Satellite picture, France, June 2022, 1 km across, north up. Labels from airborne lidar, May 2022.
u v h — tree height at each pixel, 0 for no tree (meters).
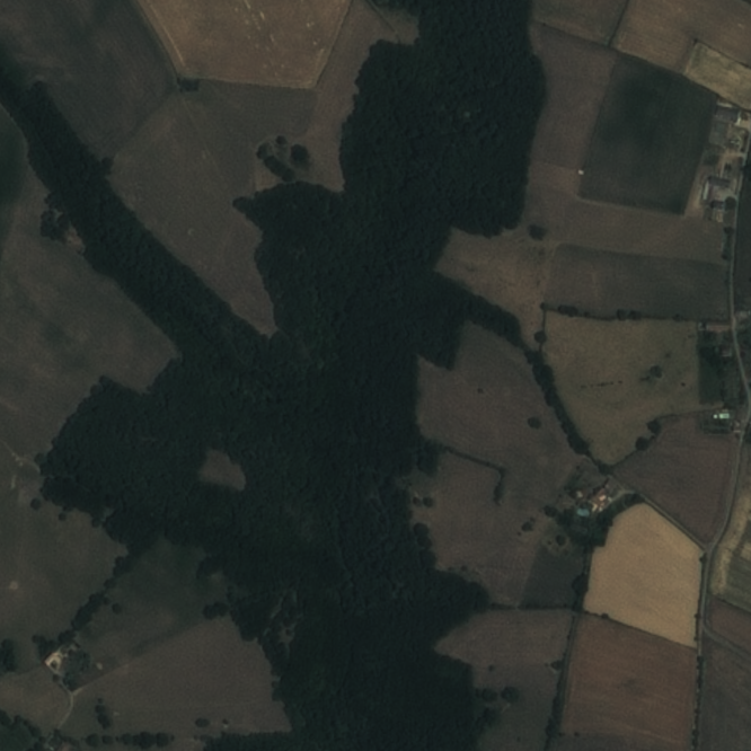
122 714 0
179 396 16
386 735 18
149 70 0
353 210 11
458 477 0
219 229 0
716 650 0
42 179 8
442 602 23
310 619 12
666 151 0
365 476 21
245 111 0
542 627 0
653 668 0
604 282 0
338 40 0
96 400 16
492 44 13
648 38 0
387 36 0
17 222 0
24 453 0
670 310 0
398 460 21
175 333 9
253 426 15
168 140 0
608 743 0
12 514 0
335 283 23
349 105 0
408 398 15
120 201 10
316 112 0
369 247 18
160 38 0
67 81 0
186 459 11
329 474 23
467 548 0
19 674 0
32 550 0
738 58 0
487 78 16
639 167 0
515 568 0
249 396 22
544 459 0
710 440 0
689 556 0
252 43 0
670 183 0
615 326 0
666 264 0
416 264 18
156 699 0
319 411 24
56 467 20
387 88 22
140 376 0
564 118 0
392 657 14
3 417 0
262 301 0
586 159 0
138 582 0
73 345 0
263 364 13
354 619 16
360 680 11
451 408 0
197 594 0
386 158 26
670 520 0
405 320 15
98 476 22
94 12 0
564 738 7
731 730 0
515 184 14
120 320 0
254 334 16
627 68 0
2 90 14
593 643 0
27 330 0
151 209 0
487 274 0
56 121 12
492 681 0
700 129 0
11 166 0
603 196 0
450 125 22
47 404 0
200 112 0
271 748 11
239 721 0
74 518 0
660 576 0
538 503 0
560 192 0
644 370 0
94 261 14
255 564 11
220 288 0
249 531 13
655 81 0
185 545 12
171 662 0
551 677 0
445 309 19
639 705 0
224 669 0
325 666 11
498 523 0
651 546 0
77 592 0
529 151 10
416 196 23
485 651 0
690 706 0
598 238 0
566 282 0
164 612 0
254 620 12
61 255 0
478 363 0
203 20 0
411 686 12
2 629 0
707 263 0
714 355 7
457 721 15
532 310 0
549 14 0
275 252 12
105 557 0
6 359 0
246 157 0
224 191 0
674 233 0
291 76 0
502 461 0
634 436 0
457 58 24
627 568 0
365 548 16
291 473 14
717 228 0
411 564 18
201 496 12
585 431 0
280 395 25
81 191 20
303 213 15
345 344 15
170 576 0
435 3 6
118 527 12
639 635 0
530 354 13
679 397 0
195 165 0
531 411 0
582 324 0
